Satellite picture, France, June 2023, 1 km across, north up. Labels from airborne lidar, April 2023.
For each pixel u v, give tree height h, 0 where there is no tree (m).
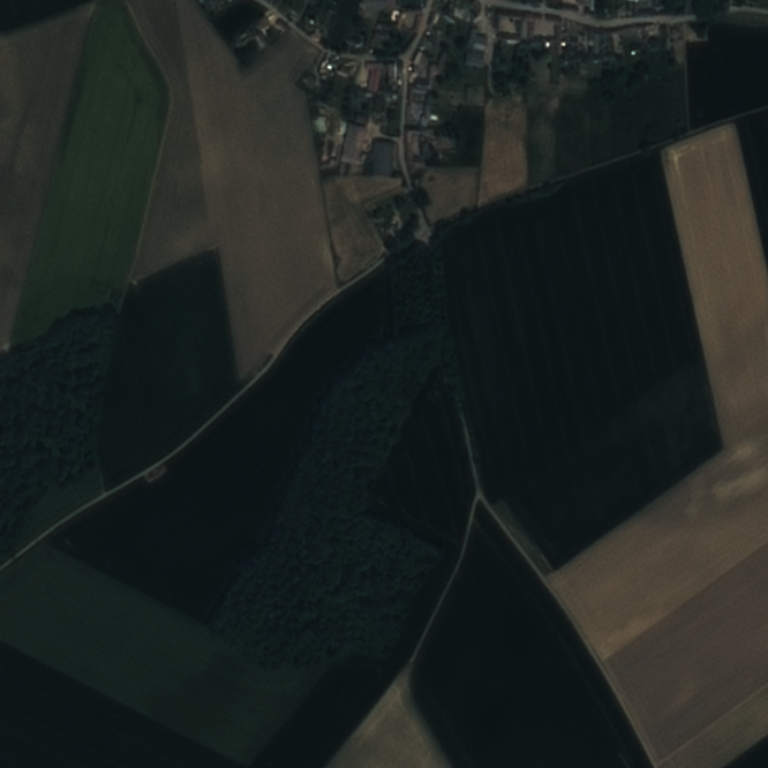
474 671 0
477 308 0
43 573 0
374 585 17
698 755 0
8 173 0
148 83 0
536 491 0
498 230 0
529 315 0
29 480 22
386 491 0
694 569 0
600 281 0
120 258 0
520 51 5
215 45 0
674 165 0
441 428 0
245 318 0
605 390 0
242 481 0
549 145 0
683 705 0
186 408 0
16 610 0
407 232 13
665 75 0
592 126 0
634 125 0
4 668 0
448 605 0
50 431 22
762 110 0
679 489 0
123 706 0
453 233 0
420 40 0
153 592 0
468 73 0
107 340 20
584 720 0
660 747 0
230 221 0
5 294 0
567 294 0
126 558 0
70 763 0
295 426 0
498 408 0
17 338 0
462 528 0
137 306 0
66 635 0
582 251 0
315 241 0
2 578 0
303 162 0
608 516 0
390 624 18
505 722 0
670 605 0
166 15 0
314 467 19
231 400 0
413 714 0
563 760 0
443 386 0
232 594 16
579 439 0
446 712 0
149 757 0
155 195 0
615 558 0
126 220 0
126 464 0
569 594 0
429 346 24
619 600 0
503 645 0
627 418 0
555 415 0
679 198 0
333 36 0
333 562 23
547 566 0
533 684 0
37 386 29
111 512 0
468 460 0
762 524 0
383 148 0
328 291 0
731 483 0
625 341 0
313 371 0
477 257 0
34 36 0
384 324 0
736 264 0
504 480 0
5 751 0
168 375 0
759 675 0
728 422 0
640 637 0
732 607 0
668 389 0
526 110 0
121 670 0
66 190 0
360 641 12
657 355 0
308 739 0
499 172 0
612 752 0
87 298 0
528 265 0
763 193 0
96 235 0
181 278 0
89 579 0
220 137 0
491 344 0
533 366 0
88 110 0
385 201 0
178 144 0
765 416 0
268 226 0
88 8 0
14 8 0
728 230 0
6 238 0
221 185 0
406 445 0
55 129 0
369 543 23
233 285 0
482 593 0
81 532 0
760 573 0
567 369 0
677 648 0
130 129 0
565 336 0
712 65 0
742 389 0
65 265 0
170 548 0
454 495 0
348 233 0
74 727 0
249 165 0
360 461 10
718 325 0
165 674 0
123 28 0
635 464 0
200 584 0
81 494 0
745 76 0
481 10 0
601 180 0
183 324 0
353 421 15
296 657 19
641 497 0
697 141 0
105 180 0
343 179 0
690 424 0
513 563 0
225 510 0
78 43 0
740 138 0
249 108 0
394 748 0
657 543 0
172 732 0
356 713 0
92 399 19
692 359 0
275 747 0
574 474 0
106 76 0
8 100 0
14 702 0
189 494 0
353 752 0
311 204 0
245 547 0
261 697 0
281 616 21
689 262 0
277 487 0
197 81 0
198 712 0
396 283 7
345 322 0
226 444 0
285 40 0
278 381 0
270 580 14
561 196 0
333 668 0
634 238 0
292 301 0
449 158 0
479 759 0
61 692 0
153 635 0
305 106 0
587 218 0
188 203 0
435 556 15
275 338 0
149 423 0
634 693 0
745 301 0
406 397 19
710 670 0
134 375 0
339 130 0
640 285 0
